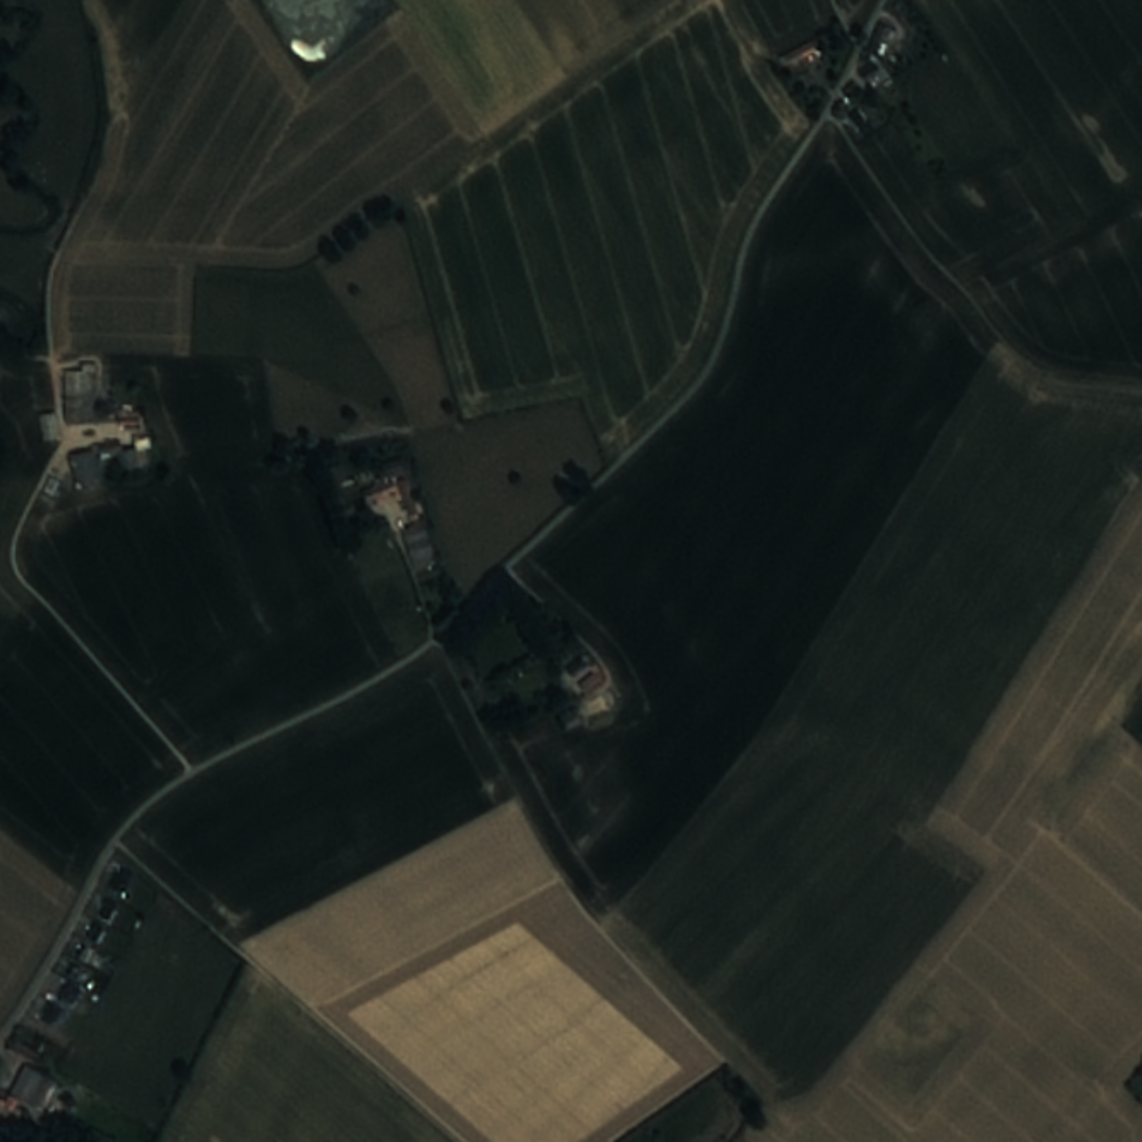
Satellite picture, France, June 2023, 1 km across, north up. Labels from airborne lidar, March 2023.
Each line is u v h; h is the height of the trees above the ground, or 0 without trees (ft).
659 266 0
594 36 0
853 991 0
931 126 0
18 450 0
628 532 0
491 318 0
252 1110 0
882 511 0
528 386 0
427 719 0
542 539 0
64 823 0
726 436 0
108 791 0
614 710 0
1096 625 0
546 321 0
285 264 0
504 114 0
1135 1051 0
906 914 0
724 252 0
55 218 0
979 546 0
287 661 0
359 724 0
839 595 0
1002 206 0
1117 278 0
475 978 0
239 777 0
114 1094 0
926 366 0
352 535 47
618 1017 0
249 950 0
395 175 0
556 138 0
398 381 0
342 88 0
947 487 0
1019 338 0
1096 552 0
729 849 0
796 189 0
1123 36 0
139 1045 0
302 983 0
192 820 0
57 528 0
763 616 0
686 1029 0
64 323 0
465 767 0
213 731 0
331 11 0
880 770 0
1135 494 0
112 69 0
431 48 0
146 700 0
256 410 0
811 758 0
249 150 0
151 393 0
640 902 0
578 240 0
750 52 0
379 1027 0
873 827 0
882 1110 0
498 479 0
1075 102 0
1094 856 0
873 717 0
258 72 0
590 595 0
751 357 0
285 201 0
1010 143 0
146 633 0
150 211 0
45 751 0
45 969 0
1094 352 0
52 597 0
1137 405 0
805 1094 0
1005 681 0
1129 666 0
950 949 0
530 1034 0
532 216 0
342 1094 0
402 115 0
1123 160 0
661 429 0
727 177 0
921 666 0
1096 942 0
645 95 0
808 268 0
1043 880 0
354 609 0
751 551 0
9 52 69
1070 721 0
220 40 0
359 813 0
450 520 0
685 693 0
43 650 0
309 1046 0
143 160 0
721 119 0
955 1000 0
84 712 0
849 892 0
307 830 0
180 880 0
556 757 0
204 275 0
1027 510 0
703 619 0
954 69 0
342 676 0
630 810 0
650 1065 0
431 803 0
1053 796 0
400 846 0
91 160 0
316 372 0
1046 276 0
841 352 0
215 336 0
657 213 0
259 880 0
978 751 0
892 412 0
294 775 0
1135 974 0
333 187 0
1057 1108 0
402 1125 0
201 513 0
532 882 0
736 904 0
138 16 0
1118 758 0
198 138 0
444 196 0
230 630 0
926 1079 0
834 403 0
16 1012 0
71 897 0
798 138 0
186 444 0
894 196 0
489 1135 0
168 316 0
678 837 0
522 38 0
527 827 0
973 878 0
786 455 0
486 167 0
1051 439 0
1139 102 0
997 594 0
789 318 0
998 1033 0
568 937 0
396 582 0
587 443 0
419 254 0
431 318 0
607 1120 0
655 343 0
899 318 0
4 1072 0
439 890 0
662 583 0
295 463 40
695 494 0
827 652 0
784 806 0
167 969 0
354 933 0
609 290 0
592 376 0
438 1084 0
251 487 0
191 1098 0
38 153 0
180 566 0
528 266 0
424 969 0
